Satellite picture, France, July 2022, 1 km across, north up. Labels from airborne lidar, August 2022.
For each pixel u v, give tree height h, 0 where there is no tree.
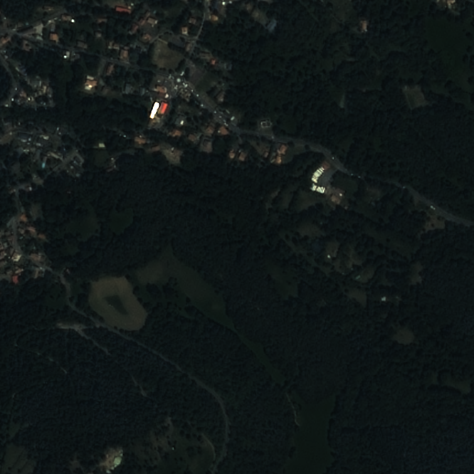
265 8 16
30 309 24
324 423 0
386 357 21
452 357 16
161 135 12
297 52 13
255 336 22
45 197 24
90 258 23
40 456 9
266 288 21
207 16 0
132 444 10
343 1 0
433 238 17
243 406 15
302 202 0
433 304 20
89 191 24
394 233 23
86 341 18
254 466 22
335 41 8
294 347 22
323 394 23
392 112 21
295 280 6
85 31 7
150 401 13
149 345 15
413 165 19
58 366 13
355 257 0
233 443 17
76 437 12
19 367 12
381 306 17
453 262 24
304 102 14
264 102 9
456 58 0
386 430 19
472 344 25
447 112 22
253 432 19
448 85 14
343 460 20
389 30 19
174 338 14
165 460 16
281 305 23
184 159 20
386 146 16
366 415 22
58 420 8
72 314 8
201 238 17
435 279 18
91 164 20
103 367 15
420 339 8
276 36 24
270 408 11
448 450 25
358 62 17
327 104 21
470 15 15
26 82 18
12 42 7
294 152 0
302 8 20
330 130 21
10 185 18
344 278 11
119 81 20
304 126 16
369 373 25
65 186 24
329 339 20
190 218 23
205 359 17
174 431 0
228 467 13
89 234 0
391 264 16
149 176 19
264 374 15
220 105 9
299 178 10
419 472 20
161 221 24
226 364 7
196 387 12
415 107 0
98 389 25
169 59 0
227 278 20
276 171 11
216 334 23
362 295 0
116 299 0
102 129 20
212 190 21
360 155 22
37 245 8
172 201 24
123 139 17
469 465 17
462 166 17
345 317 17
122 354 18
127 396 20
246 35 19
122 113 21
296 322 25
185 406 16
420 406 25
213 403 20
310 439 0
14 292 24
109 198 22
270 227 12
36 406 16
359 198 20
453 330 19
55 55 23
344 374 24
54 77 24
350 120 11
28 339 7
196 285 0
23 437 9
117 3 0
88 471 9
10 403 13
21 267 6
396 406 26
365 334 18
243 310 22
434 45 0
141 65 16
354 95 22
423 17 17
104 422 14
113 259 20
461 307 21
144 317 0
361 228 27
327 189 0
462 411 16
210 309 0
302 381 20
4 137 0
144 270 0
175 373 18
